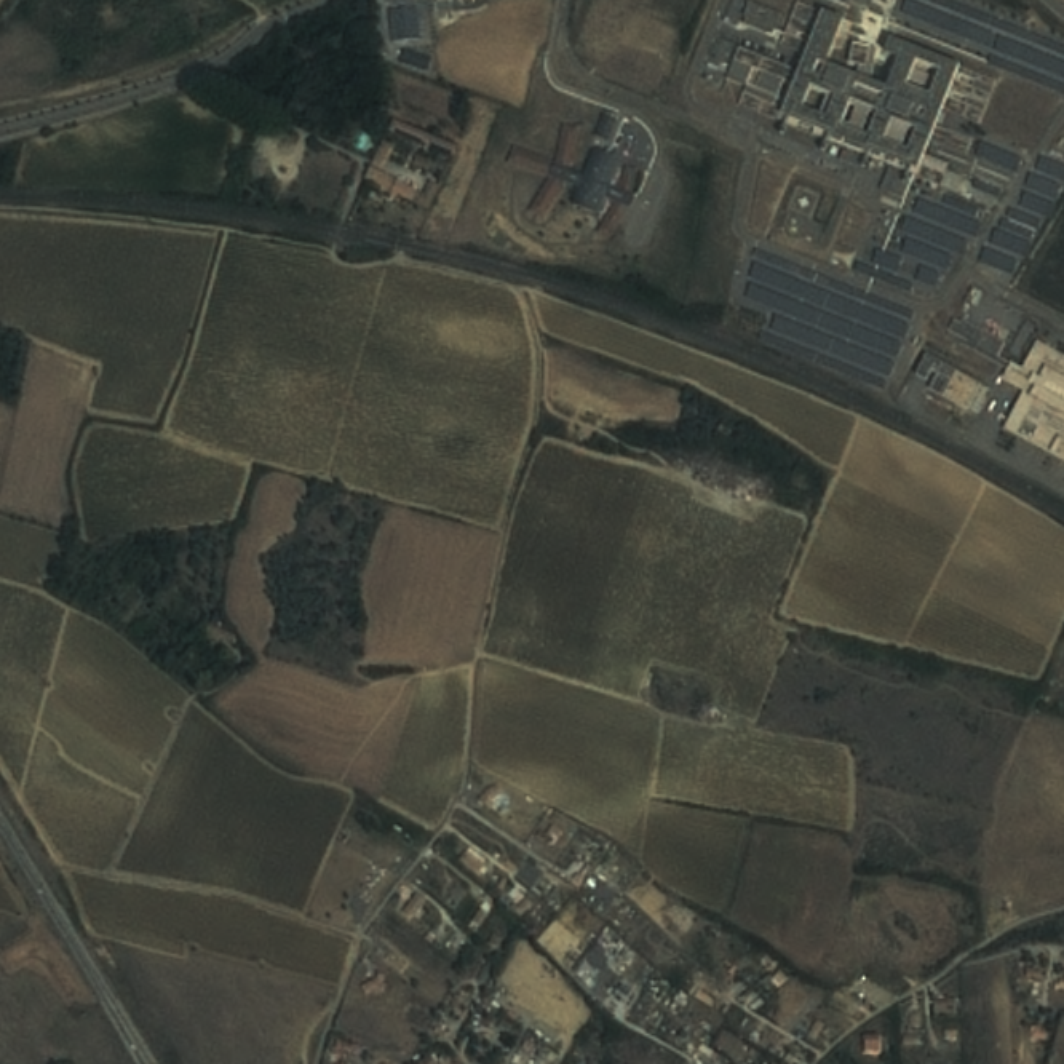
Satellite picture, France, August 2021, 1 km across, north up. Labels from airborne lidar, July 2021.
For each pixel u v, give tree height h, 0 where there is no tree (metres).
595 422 0
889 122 0
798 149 0
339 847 0
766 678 0
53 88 0
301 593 14
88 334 0
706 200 0
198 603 6
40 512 0
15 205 0
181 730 0
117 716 0
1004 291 0
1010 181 0
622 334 0
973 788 0
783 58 6
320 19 11
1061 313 0
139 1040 0
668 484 0
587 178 0
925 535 0
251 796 0
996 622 0
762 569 0
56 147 0
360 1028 0
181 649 7
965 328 0
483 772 0
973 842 0
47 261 0
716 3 0
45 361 0
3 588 0
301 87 18
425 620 0
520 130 0
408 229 6
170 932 0
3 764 0
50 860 0
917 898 0
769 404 0
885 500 0
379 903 0
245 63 10
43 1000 0
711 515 0
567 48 0
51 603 0
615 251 0
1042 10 0
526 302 0
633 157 0
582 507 0
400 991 0
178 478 0
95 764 0
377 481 0
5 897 0
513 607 0
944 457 0
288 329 0
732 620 0
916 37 0
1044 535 0
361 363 0
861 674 0
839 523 0
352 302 0
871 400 0
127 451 0
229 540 5
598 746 0
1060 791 0
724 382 0
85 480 0
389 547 0
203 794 0
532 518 0
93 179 0
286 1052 0
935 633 0
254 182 6
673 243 0
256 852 0
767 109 0
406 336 0
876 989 0
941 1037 0
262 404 0
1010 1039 0
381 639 0
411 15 0
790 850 0
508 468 0
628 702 0
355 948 0
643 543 0
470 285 0
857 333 0
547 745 0
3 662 0
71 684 0
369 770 0
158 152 0
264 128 30
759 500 0
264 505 0
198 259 0
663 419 0
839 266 0
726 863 0
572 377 0
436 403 0
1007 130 0
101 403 0
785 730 0
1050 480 0
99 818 0
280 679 0
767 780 0
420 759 0
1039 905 0
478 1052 13
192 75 21
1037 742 0
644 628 0
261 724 0
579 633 0
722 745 0
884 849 0
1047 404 0
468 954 12
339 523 15
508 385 0
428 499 0
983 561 0
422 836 0
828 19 0
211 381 0
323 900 0
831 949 0
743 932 6
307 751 0
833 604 0
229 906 0
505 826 0
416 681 0
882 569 0
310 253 0
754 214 0
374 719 0
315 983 0
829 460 0
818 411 0
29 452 0
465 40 0
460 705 0
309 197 0
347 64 11
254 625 0
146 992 0
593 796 0
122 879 0
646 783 0
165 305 0
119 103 0
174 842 0
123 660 0
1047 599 0
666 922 0
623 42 0
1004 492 0
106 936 0
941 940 0
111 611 7
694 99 0
